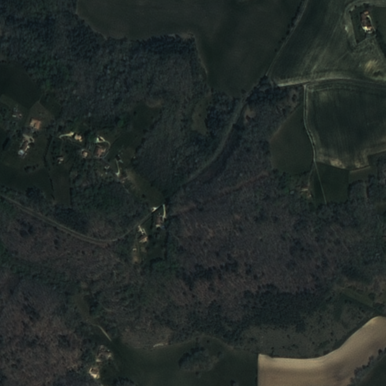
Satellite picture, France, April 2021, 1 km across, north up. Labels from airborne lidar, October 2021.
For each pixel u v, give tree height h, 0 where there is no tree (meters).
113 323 15
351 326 0
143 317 14
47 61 22
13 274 9
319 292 25
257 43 0
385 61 0
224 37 0
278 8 0
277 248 14
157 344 0
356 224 21
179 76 21
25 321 11
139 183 0
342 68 0
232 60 0
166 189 15
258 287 8
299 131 0
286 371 0
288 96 11
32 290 15
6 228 16
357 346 0
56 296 19
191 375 0
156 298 19
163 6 0
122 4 0
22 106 0
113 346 0
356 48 0
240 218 11
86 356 16
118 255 21
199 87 26
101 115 25
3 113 13
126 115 9
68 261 12
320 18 0
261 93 18
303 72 0
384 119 0
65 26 20
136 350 0
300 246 26
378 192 23
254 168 14
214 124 20
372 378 0
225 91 0
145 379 0
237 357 0
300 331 12
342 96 0
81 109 20
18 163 0
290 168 0
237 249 12
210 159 22
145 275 20
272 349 8
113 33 0
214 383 0
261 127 19
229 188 13
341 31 0
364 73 0
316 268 17
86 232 22
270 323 20
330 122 0
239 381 0
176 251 18
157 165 21
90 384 18
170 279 15
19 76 0
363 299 0
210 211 14
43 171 0
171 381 0
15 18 17
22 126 0
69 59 16
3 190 16
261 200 13
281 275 14
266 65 0
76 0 14
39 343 13
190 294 11
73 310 22
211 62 0
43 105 0
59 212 25
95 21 0
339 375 0
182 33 0
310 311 16
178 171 10
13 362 12
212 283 13
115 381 0
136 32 0
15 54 14
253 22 0
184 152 19
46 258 11
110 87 24
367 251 21
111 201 19
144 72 26
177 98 19
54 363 6
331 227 20
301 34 0
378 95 0
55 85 27
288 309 22
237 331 16
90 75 15
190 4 0
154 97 21
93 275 19
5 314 14
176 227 19
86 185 16
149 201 0
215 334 18
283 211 16
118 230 18
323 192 0
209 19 0
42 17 15
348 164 0
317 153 0
